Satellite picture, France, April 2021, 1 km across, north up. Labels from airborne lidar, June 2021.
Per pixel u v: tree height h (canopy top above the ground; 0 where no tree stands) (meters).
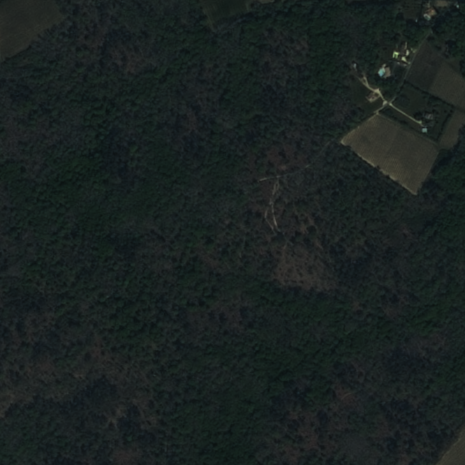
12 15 0
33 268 18
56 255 20
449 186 18
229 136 18
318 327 19
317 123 17
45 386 16
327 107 14
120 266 8
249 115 22
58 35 13
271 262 12
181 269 14
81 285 18
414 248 16
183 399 18
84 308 12
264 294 17
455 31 20
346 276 23
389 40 19
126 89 17
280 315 21
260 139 17
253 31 24
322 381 24
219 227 16
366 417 12
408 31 17
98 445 16
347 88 12
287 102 25
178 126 11
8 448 22
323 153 14
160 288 12
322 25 22
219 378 13
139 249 16
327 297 19
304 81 21
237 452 21
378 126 0
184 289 16
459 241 19
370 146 0
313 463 16
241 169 13
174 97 12
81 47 8
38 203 14
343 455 6
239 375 14
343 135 15
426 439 9
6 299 13
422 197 8
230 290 15
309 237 8
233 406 19
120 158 23
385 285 8
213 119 15
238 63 22
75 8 12
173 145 13
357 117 20
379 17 20
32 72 13
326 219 6
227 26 23
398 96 9
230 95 24
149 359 20
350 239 17
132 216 19
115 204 21
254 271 14
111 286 8
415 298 23
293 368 19
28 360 18
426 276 16
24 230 9
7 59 9
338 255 26
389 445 8
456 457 0
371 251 15
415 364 26
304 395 17
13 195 13
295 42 21
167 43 22
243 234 14
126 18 21
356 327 28
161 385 12
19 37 0
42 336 14
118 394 24
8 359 17
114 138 20
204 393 13
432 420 13
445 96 0
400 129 0
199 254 7
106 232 13
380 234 15
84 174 17
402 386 16
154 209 22
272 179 11
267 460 13
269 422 18
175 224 15
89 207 19
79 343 12
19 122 12
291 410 7
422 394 16
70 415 24
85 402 16
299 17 22
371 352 17
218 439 22
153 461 6
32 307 7
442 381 22
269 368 19
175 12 17
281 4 17
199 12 22
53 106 23
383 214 13
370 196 21
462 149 18
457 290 22
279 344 22
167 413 17
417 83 0
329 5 17
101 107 18
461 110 0
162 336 13
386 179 8
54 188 18
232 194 20
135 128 13
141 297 12
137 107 20
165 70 22
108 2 8
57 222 15
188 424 14
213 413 16
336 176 8
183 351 28
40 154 12
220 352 16
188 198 15
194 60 23
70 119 19
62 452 20
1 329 20
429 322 20
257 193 13
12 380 12
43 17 0
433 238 15
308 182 14
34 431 17
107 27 12
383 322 26
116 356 13
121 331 17
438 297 27
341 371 26
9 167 19
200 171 13
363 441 18
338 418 16
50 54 17
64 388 12
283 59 13
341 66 19
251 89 19
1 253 14
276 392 22
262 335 21
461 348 22
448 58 17
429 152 0
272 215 8
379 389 11
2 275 13
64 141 8
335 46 24
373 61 18
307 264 11
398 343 15
